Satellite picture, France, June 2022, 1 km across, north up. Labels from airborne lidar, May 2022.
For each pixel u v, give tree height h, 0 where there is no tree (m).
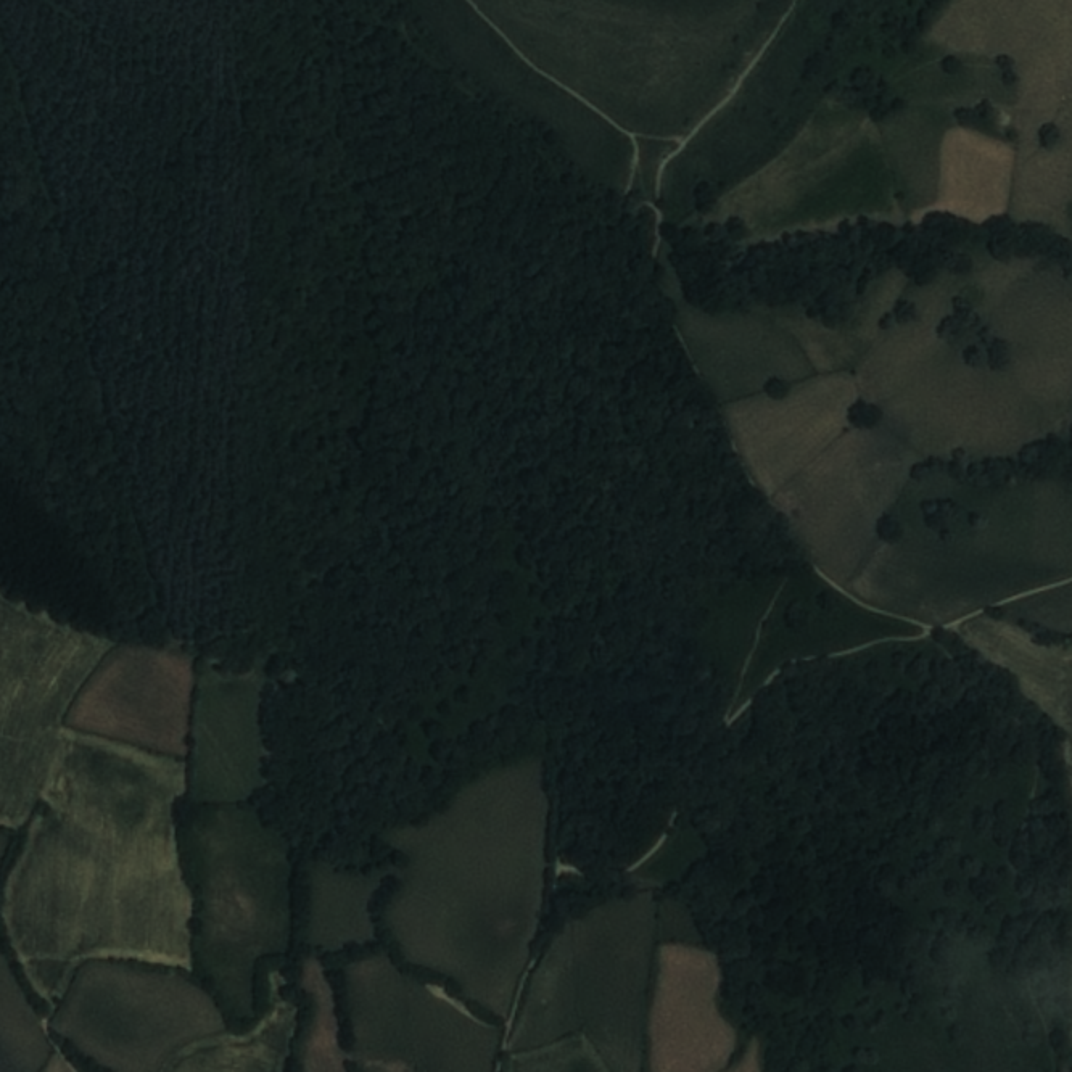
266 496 10
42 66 20
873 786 18
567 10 0
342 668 23
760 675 0
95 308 19
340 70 22
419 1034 0
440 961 0
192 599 19
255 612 13
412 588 21
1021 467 19
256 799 14
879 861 17
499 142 14
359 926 0
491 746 19
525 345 22
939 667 14
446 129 17
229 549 15
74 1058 10
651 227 13
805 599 0
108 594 16
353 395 8
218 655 18
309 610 25
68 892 0
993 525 0
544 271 18
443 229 14
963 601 0
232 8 10
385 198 19
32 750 0
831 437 0
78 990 0
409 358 24
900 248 26
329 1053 0
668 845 0
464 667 17
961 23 0
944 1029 0
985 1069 0
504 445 22
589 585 19
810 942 13
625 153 0
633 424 14
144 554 9
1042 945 18
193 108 18
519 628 0
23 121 6
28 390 27
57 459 14
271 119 14
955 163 0
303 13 17
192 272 17
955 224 27
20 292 18
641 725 27
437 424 19
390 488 24
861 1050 11
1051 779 20
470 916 0
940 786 23
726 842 21
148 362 20
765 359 0
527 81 0
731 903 20
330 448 28
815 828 14
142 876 0
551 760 10
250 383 15
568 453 22
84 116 20
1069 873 19
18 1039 0
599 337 19
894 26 15
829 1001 8
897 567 0
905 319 16
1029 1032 9
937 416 0
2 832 9
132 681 0
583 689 23
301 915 15
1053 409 0
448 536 19
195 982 8
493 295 22
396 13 13
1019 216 0
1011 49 0
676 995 0
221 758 0
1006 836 14
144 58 9
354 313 27
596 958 0
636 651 20
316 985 0
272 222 15
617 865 20
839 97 14
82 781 0
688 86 0
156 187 19
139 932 0
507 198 19
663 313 20
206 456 11
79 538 12
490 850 0
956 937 10
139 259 18
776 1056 9
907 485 0
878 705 16
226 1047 0
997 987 0
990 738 17
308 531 16
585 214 10
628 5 0
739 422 0
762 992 28
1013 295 0
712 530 16
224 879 0
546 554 22
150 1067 0
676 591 20
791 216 0
